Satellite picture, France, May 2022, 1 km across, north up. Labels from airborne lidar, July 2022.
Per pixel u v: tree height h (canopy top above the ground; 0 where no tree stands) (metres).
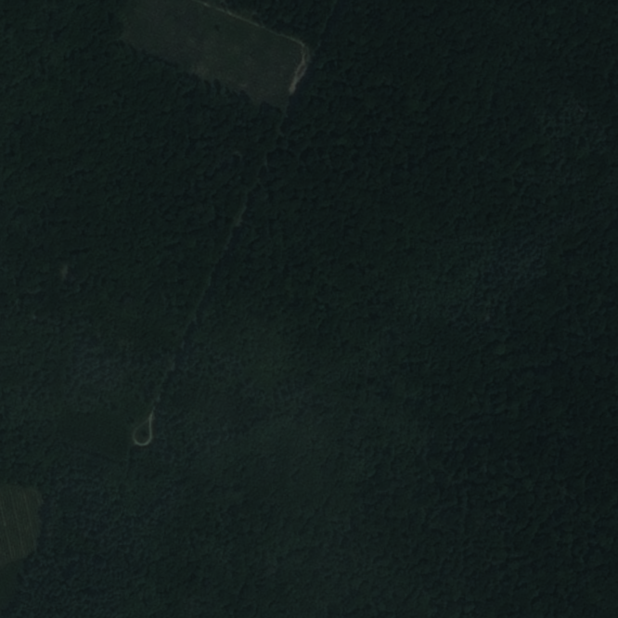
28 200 26
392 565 27
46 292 30
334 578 16
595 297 26
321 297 31
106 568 31
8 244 28
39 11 24
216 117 28
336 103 28
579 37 28
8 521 0
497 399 26
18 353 27
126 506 24
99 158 31
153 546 22
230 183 23
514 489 21
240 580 21
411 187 27
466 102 18
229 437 27
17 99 21
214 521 16
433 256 22
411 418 19
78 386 29
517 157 27
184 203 28
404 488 23
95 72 25
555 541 19
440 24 28
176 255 28
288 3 29
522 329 25
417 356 21
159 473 19
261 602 21
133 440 0
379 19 28
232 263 27
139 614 25
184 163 29
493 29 29
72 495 32
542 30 25
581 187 28
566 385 27
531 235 32
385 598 28
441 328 22
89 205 24
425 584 27
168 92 27
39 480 23
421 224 24
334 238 29
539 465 29
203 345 27
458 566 26
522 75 27
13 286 26
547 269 29
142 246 25
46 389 27
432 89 25
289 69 0
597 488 26
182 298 29
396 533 27
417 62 28
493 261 16
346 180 28
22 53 24
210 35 0
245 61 0
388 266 23
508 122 28
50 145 25
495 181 27
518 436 28
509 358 27
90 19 25
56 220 29
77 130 32
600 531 28
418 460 28
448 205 27
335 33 26
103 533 31
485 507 29
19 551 0
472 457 26
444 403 18
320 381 26
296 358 24
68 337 25
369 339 25
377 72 27
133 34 0
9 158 32
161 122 26
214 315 23
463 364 25
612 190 23
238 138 30
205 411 18
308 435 24
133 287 28
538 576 28
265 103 0
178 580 21
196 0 0
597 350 24
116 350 11
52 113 29
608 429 27
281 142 21
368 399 26
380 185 26
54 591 31
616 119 28
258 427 22
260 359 24
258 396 28
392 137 26
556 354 26
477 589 27
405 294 24
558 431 22
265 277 24
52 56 27
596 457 26
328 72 26
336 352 27
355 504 21
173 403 20
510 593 24
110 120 31
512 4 29
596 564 25
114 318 8
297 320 23
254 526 25
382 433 25
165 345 8
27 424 28
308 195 28
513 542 26
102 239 24
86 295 25
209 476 17
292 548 18
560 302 28
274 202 26
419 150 29
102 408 6
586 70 28
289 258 27
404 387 19
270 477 26
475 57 28
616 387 18
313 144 17
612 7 28
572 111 25
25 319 26
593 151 27
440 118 29
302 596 22
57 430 8
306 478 24
